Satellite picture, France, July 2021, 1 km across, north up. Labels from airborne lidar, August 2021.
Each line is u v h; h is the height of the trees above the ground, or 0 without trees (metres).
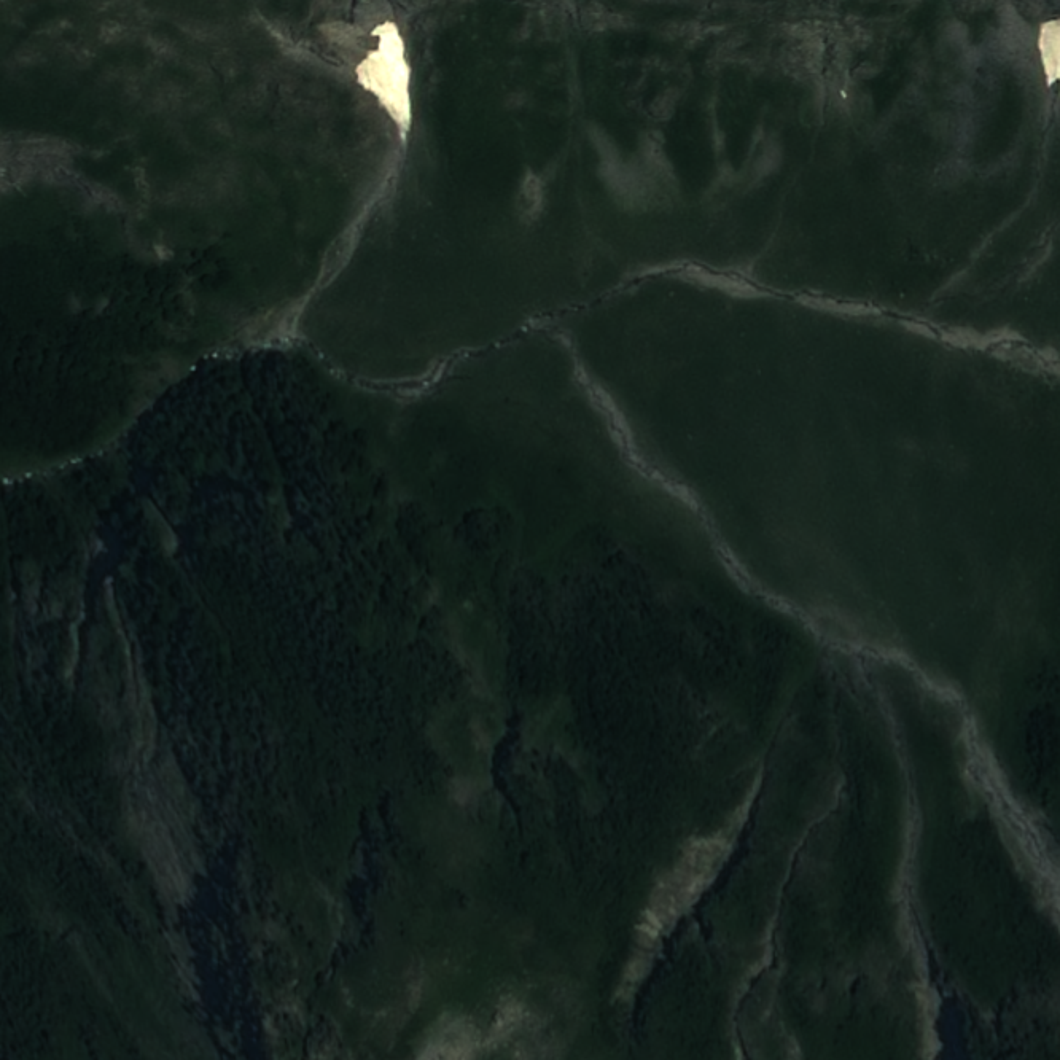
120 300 12
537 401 0
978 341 0
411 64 0
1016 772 0
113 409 7
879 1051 0
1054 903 0
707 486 0
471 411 0
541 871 0
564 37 0
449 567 0
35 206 0
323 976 10
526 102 0
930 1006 0
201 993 0
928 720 0
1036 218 0
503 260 0
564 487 0
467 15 0
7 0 0
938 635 0
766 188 0
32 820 9
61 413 11
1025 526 0
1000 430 0
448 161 0
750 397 0
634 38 0
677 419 0
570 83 0
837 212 0
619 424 0
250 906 8
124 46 0
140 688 0
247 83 0
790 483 0
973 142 0
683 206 0
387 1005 0
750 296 0
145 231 0
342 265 0
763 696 6
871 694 0
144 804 0
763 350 0
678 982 10
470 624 0
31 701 14
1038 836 0
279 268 0
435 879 0
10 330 11
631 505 0
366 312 0
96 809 10
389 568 8
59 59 0
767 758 0
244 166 0
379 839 9
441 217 0
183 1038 0
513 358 0
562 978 0
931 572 0
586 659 8
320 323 0
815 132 0
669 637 8
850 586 0
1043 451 0
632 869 6
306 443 11
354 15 0
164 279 17
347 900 0
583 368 0
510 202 0
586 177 0
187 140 0
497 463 0
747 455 0
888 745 0
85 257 8
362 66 0
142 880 8
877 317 0
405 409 0
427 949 0
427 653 14
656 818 7
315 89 0
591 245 0
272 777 9
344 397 0
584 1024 0
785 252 0
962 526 0
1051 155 0
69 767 16
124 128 0
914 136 0
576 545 0
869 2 0
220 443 19
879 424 0
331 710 6
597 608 9
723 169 0
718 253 0
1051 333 0
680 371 0
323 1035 10
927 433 0
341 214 0
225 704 10
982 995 0
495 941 0
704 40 0
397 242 0
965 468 0
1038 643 0
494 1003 0
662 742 11
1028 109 0
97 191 0
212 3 0
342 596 14
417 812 0
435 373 0
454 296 0
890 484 0
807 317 0
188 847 0
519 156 0
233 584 12
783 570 0
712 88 0
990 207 0
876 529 0
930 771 0
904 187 0
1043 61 0
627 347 0
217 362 15
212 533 8
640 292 0
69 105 0
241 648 6
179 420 19
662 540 0
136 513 7
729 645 7
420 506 7
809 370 0
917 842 0
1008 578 0
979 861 6
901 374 0
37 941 6
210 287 13
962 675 0
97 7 0
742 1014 0
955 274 0
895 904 0
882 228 0
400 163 0
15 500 13
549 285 0
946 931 0
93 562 0
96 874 16
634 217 0
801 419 0
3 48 0
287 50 0
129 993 0
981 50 0
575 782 7
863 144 0
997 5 0
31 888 0
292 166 0
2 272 7
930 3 0
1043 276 0
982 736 0
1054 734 19
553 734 0
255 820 10
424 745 9
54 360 21
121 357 19
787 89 0
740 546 0
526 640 6
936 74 0
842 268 0
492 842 0
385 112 0
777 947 0
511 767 10
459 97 0
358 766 0
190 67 0
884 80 0
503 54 0
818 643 0
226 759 8
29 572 8
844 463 0
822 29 0
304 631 17
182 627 7
